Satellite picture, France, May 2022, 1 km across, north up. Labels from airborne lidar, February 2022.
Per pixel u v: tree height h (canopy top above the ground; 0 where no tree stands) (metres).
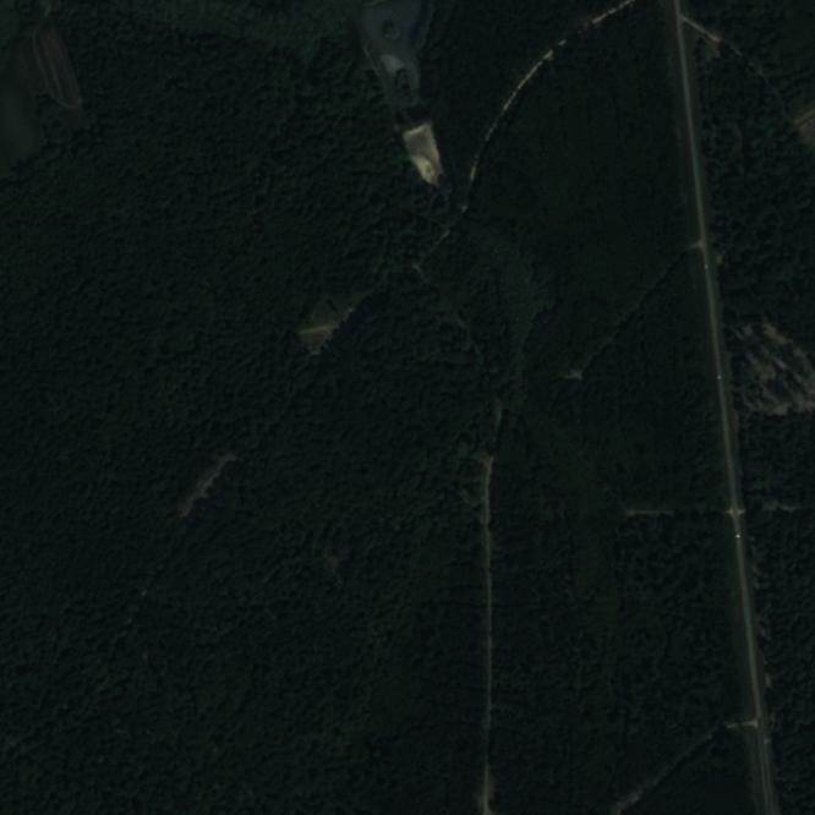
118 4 16
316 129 25
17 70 0
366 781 16
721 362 0
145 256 21
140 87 27
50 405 27
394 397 26
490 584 0
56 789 25
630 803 0
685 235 14
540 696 17
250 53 26
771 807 0
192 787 24
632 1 0
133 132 23
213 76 26
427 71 20
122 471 25
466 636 17
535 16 15
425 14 15
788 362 31
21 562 23
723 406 0
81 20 22
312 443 27
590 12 15
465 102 16
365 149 26
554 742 12
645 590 24
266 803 26
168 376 23
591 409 16
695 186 0
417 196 24
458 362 25
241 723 21
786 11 26
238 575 30
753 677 0
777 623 26
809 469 24
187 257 25
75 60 12
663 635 7
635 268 13
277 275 20
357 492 27
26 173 16
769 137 27
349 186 24
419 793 22
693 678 20
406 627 18
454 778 14
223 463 0
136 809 26
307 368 24
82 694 24
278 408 27
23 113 0
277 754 25
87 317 24
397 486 29
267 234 21
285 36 28
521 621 17
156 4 24
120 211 21
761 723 0
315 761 25
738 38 29
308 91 27
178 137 26
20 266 28
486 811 0
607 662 9
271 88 29
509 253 22
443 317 31
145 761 27
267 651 21
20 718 24
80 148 21
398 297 28
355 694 26
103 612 23
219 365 26
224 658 25
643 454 31
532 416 21
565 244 15
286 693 24
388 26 13
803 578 31
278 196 22
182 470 22
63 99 0
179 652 23
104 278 25
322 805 29
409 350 26
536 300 24
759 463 24
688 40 0
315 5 30
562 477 14
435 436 26
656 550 29
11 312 26
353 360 28
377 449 31
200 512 23
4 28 18
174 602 25
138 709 29
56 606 22
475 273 0
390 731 15
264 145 26
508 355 15
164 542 21
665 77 15
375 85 20
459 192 17
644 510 0
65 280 25
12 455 25
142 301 24
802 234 32
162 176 21
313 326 0
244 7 19
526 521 13
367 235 25
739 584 0
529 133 11
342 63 26
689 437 19
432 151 0
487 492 0
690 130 0
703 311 0
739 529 0
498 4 21
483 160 12
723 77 14
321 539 28
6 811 23
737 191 12
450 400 27
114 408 24
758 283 34
